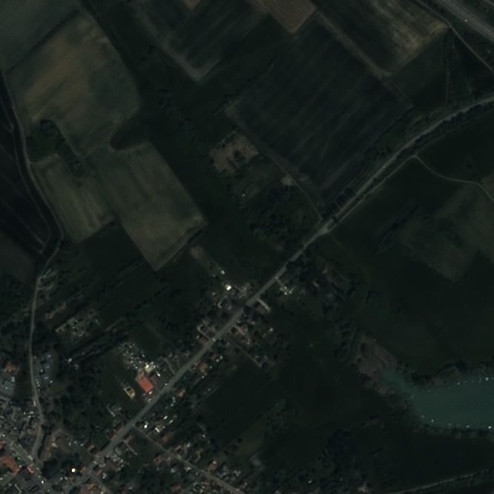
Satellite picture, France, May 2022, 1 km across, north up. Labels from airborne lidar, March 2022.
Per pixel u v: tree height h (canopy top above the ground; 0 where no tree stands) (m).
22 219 0
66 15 0
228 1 0
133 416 0
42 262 7
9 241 0
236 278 0
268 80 0
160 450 0
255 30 0
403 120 5
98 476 0
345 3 0
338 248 0
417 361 0
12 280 7
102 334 9
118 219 0
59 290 6
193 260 0
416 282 0
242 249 0
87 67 0
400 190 0
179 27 0
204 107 0
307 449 0
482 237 0
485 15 0
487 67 0
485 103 0
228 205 0
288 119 0
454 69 9
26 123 0
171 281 0
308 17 0
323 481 8
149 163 0
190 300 0
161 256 0
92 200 0
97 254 0
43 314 0
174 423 0
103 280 0
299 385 0
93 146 0
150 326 0
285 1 0
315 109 0
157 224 0
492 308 0
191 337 8
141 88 0
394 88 0
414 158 0
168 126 0
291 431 0
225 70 0
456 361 0
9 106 0
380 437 0
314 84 0
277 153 0
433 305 0
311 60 0
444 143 0
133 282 0
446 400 0
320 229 0
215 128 0
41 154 6
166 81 0
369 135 0
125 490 0
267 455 0
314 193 0
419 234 0
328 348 0
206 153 8
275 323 0
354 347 6
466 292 0
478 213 0
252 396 0
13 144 0
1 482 0
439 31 0
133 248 0
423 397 0
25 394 0
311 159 0
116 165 0
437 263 0
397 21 0
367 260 0
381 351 0
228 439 0
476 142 0
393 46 0
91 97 0
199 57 0
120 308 0
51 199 0
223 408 0
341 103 0
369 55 0
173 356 0
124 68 0
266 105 0
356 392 0
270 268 0
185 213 0
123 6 0
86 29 0
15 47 0
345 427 0
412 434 0
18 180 0
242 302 0
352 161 0
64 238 0
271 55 0
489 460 0
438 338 0
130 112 0
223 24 0
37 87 0
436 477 0
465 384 0
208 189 0
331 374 0
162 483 8
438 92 0
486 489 0
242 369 0
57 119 0
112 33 0
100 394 0
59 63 0
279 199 27
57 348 16
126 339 8
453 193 0
